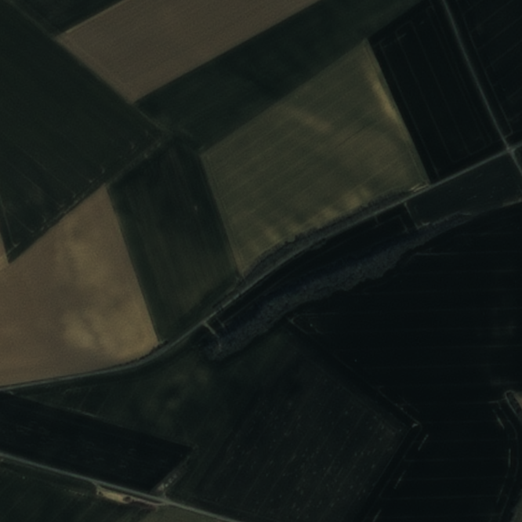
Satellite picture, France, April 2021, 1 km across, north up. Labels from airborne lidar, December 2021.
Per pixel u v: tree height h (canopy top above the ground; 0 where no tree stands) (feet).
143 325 0
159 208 0
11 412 0
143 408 0
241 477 0
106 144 0
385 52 0
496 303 0
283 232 0
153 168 0
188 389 0
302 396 0
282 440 0
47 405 0
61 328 0
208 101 0
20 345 0
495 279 0
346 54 0
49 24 0
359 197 0
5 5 0
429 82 0
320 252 0
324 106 0
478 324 0
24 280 0
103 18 0
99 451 0
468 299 0
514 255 0
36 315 0
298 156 0
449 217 0
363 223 0
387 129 0
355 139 0
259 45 0
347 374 0
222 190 0
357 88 0
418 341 0
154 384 0
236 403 0
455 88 0
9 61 0
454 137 0
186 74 0
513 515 36
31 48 0
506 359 0
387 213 0
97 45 0
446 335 0
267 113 0
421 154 0
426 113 0
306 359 0
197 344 0
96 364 0
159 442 0
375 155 0
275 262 74
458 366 0
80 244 0
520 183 0
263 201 0
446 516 0
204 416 0
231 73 0
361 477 0
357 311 0
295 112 0
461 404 0
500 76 0
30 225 0
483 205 0
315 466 0
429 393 0
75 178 0
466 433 0
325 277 72
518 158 0
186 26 0
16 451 0
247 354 0
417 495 0
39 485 0
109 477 0
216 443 0
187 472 0
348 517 0
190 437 0
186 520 0
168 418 0
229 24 0
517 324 0
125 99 0
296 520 0
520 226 0
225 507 0
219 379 0
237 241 0
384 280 0
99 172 0
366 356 0
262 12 0
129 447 0
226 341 64
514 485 0
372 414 0
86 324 0
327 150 0
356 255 0
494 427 0
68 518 0
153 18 0
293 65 0
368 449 0
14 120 0
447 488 0
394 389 0
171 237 0
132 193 0
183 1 0
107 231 0
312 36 0
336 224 51
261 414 0
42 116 0
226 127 0
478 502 0
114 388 0
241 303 0
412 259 0
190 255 0
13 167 0
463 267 0
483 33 0
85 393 0
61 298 0
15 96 0
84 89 0
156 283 0
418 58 0
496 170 0
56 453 0
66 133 0
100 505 0
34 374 0
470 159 0
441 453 0
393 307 0
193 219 0
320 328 0
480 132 0
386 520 0
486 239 0
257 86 0
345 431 0
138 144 0
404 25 0
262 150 0
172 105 0
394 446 0
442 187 0
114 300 0
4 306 0
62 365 0
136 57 0
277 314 42
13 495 0
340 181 0
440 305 0
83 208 0
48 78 0
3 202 0
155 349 27
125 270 0
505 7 0
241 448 0
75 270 0
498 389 0
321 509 0
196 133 0
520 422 0
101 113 0
